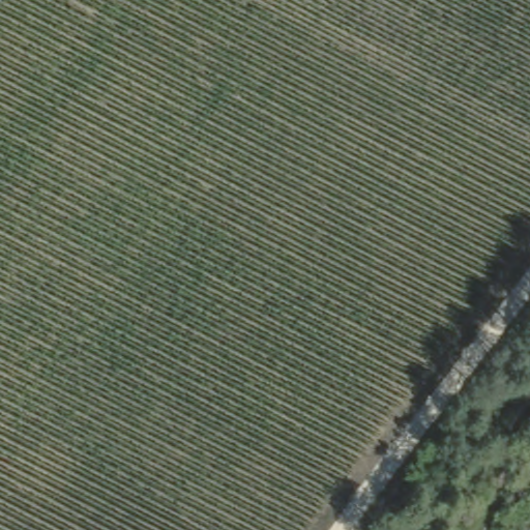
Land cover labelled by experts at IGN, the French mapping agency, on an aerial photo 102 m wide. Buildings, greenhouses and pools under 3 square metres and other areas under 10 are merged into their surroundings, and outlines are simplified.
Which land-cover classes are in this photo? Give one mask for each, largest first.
<instances>
[{"label":"vineyard","instance_id":"1","mask_svg":"<svg viewBox=\"0 0 530 530\"><path fill-rule=\"evenodd\" d=\"M530 269V0H0V530H329L340 520L344 509L350 505L358 484L362 480L371 482L385 460L398 458L395 443L404 435L406 424L412 422L426 408V398L435 389H439L443 379L451 373L453 364L460 362L462 352L476 342L478 333L482 331V325L489 323L491 317L497 313L501 300L489 294V288L497 286L499 290H513L520 286L524 273Z\"/></svg>","mask_w":530,"mask_h":530},{"label":"coniferous trees","instance_id":"2","mask_svg":"<svg viewBox=\"0 0 530 530\"><path fill-rule=\"evenodd\" d=\"M495 497L503 499L505 507L509 509L522 499L530 497V296L524 308L505 323L503 333L484 352L476 369L466 377L462 389L445 400L433 424L424 431V435L416 439V445L410 451H406V455L400 462V468L385 482V489L375 493V499L371 507L362 513L360 526L356 530H458L460 522L470 524L472 518L484 520L487 509L495 501Z\"/></svg>","mask_w":530,"mask_h":530},{"label":"pervious surface","instance_id":"3","mask_svg":"<svg viewBox=\"0 0 530 530\"><path fill-rule=\"evenodd\" d=\"M489 294L501 300L497 313L491 317L489 323L482 325V331L478 333L476 342L462 352L460 362L453 364L451 373L443 379L439 389H435L426 398V408L412 422L406 424L404 435L395 443L398 458L385 460L371 482L362 480L358 484L350 505L344 509L340 520L329 530H356L360 526L362 513L371 507L375 499V493L385 489V482L400 468V462L406 455V451H410L416 445V439L424 435V431L433 424L445 400L462 389L466 377L476 369L484 352L503 333L505 323L524 308L530 296V269L524 273L520 286L513 290H499L497 286L489 288Z\"/></svg>","mask_w":530,"mask_h":530},{"label":"brushwood","instance_id":"4","mask_svg":"<svg viewBox=\"0 0 530 530\"><path fill-rule=\"evenodd\" d=\"M458 530H530V497L522 499L509 509L505 507L503 499L495 497V501L487 509L484 520L472 518L470 524L460 522Z\"/></svg>","mask_w":530,"mask_h":530}]
</instances>
